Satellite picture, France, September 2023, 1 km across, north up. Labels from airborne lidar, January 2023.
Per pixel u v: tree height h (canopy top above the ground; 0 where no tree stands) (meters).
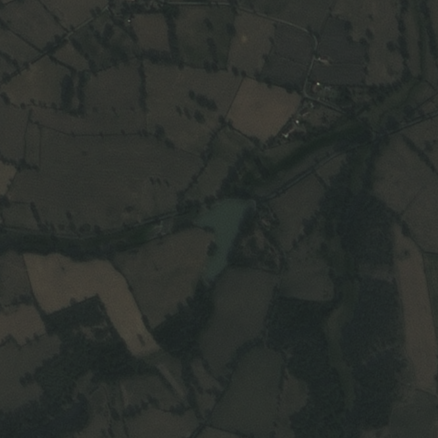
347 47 0
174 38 20
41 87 0
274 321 7
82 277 0
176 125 0
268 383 0
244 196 14
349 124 0
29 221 0
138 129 0
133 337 0
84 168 0
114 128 0
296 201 0
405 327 0
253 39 0
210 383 0
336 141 0
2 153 0
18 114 0
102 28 0
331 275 12
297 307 7
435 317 0
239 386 0
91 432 0
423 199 0
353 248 15
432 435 0
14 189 0
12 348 0
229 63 0
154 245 0
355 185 0
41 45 0
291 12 0
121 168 0
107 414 0
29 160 0
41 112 0
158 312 0
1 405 0
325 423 6
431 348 0
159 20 0
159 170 0
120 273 0
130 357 21
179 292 0
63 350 17
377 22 0
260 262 0
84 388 0
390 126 19
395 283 9
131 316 0
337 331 0
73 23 0
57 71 0
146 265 0
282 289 0
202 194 0
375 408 8
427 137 0
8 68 0
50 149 0
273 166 0
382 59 0
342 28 0
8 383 0
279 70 0
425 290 0
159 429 0
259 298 0
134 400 0
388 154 0
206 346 0
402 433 0
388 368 14
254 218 14
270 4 0
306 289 0
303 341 8
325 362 17
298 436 13
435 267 0
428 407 0
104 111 0
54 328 15
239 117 0
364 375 16
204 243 0
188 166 0
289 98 0
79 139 0
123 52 0
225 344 0
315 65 0
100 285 0
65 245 0
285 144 0
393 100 0
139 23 0
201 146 0
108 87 0
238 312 0
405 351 0
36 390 0
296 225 0
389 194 0
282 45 0
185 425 0
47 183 0
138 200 0
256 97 0
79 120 0
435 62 0
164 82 0
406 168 0
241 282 0
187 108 0
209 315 6
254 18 0
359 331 17
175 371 0
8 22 0
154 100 0
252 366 0
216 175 0
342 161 0
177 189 0
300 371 19
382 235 13
